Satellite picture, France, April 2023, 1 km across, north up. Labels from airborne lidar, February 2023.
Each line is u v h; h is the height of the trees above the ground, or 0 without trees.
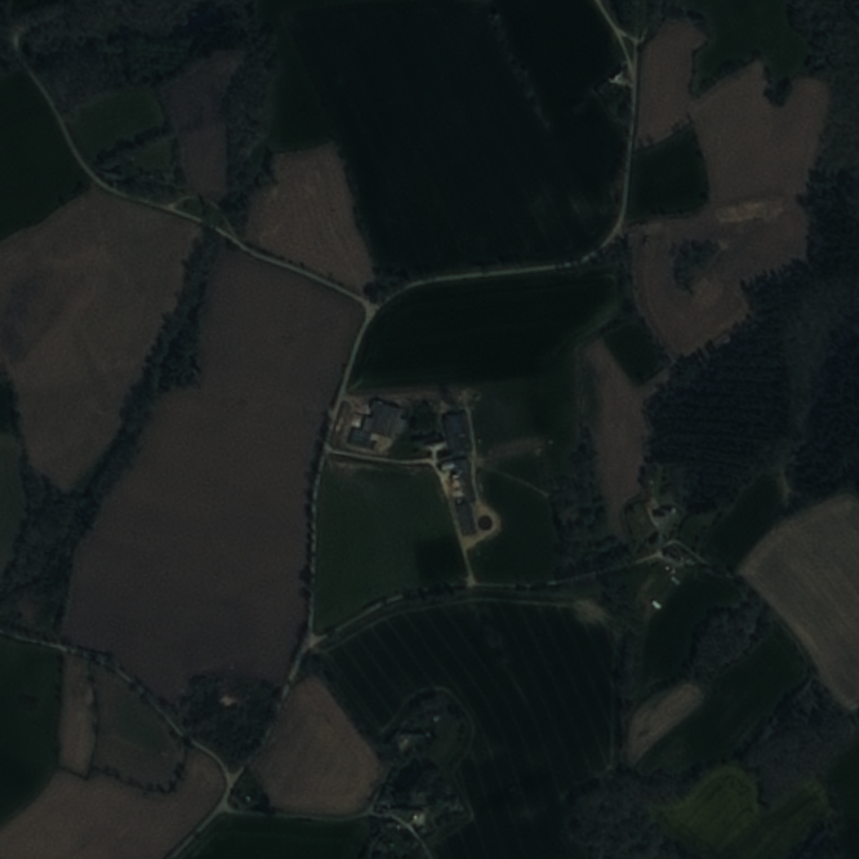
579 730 0
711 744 0
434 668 0
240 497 0
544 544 0
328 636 12
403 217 0
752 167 0
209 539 0
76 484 0
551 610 0
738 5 0
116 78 21
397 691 0
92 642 0
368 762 0
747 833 0
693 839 0
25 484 18
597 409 0
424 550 0
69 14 21
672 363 7
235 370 0
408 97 0
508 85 0
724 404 24
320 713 0
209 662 0
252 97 24
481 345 0
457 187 0
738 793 0
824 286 21
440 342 0
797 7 18
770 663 0
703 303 0
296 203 0
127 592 0
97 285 0
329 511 0
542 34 0
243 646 0
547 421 0
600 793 15
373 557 0
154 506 0
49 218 0
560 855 0
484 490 0
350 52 0
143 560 0
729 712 0
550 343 0
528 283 0
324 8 0
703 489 19
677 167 0
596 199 0
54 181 0
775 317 12
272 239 0
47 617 0
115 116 0
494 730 0
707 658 14
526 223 0
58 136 0
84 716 0
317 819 0
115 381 0
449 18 0
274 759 0
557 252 0
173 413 0
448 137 0
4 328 0
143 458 0
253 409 0
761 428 21
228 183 11
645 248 0
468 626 0
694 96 7
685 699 0
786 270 8
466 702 0
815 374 19
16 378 0
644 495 8
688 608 0
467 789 0
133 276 0
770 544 0
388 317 0
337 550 0
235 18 28
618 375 0
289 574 0
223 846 0
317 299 0
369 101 0
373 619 0
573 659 0
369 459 16
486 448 0
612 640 0
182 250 0
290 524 0
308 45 0
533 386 0
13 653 0
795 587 0
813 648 0
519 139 0
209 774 0
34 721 0
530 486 0
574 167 0
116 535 0
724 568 0
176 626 0
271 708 12
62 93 19
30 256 0
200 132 0
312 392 0
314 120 0
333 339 0
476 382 0
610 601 24
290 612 0
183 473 0
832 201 26
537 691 0
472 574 0
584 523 7
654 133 0
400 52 0
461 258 0
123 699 0
